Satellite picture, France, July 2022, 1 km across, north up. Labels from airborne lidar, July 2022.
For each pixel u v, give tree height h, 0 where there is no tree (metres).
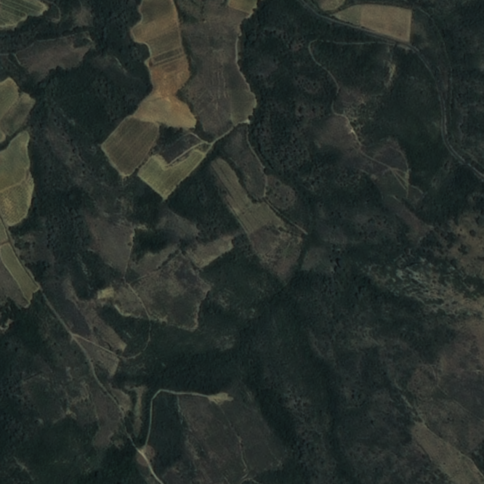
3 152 0
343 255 7
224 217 9
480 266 0
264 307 9
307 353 7
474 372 0
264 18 6
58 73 7
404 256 6
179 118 0
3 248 0
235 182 0
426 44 0
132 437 8
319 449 6
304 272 7
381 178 0
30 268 5
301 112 12
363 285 8
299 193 7
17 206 0
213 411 0
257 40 7
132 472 8
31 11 0
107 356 0
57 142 0
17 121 0
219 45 0
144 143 0
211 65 0
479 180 7
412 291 0
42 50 0
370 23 0
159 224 0
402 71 5
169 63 0
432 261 6
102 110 5
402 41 0
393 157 0
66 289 0
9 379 9
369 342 0
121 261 0
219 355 8
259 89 9
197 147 0
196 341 0
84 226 12
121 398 0
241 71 7
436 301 0
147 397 6
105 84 8
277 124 5
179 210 6
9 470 6
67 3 6
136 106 7
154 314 0
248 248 9
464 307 0
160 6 0
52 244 8
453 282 0
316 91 9
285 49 8
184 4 0
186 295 0
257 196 0
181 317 0
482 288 0
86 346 0
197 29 0
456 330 0
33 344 7
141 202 10
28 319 6
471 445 0
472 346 0
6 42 10
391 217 0
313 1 7
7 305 9
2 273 0
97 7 6
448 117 6
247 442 0
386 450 0
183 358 9
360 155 0
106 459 8
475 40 0
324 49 6
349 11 0
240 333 7
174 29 0
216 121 0
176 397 7
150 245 7
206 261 0
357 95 0
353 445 0
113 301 0
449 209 6
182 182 8
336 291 9
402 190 0
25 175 0
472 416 0
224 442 0
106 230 0
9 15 0
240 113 0
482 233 0
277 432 7
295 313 6
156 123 0
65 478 8
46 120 5
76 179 0
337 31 7
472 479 0
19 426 9
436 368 0
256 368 10
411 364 0
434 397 0
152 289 0
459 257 0
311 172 10
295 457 13
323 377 6
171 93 0
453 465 0
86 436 6
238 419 0
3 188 0
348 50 6
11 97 0
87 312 0
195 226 0
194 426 0
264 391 9
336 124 0
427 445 0
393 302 7
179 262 0
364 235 7
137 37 0
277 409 8
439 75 10
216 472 0
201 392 7
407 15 0
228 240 0
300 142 11
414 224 0
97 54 8
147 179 0
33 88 10
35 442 5
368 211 0
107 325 0
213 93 0
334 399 5
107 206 0
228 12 0
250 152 0
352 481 6
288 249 0
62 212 7
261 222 0
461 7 6
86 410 0
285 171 7
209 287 0
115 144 0
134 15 7
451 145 6
